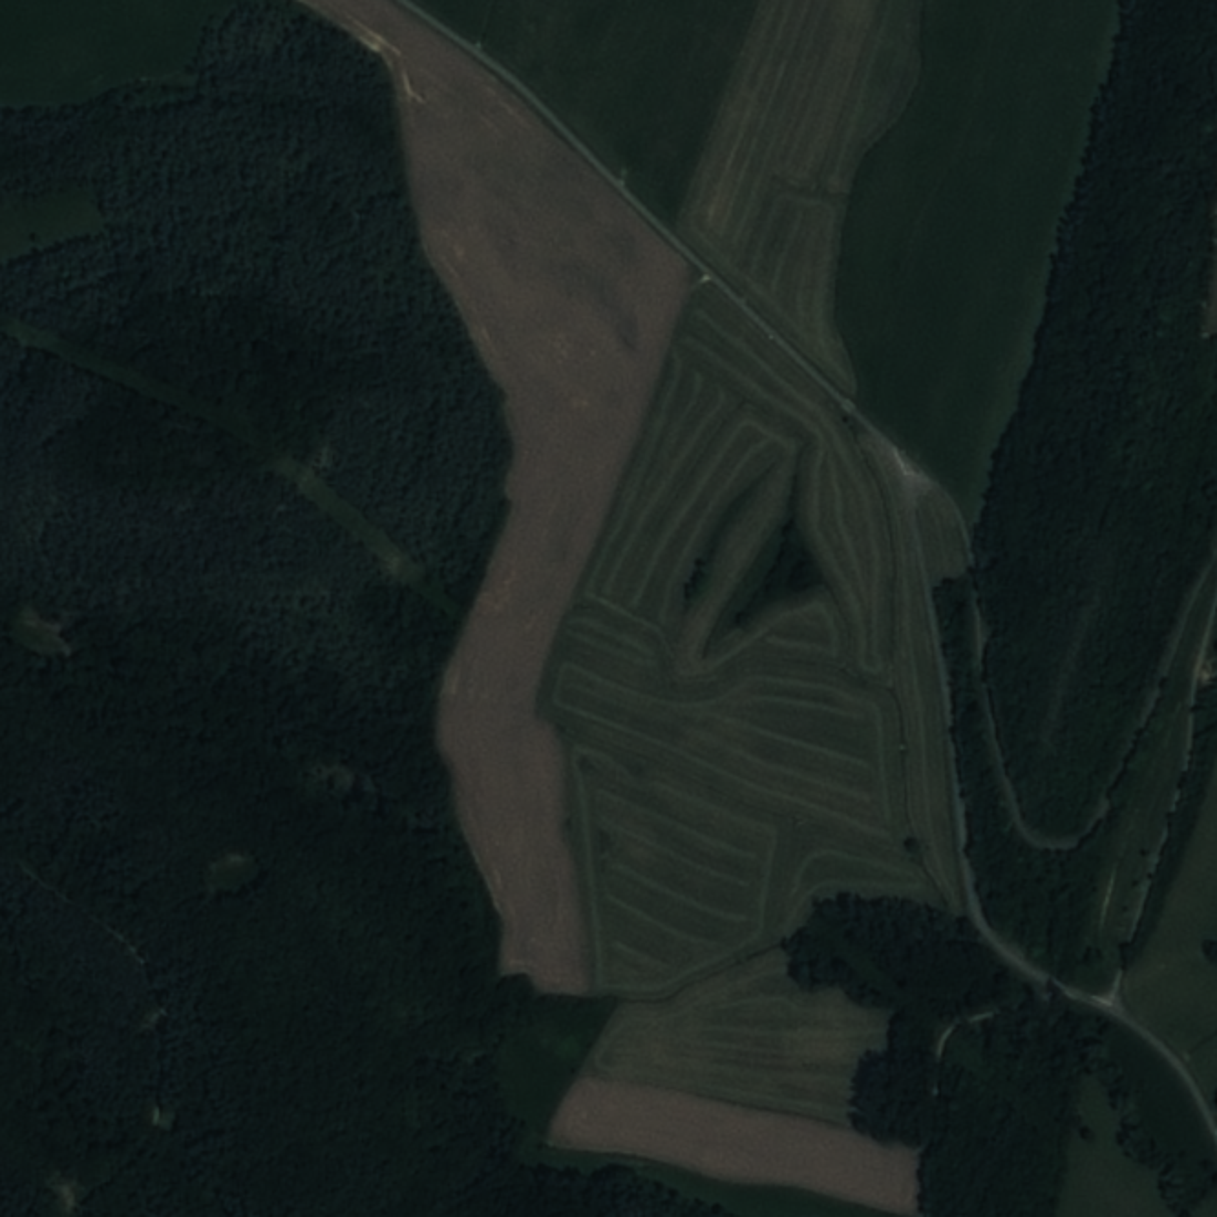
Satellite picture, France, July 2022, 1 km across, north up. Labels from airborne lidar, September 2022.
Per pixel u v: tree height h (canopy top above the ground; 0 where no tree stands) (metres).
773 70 0
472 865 8
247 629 22
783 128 0
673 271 0
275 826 22
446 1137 23
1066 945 14
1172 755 0
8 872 14
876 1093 33
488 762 0
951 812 0
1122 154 18
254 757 24
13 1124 17
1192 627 0
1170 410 7
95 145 17
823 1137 0
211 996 21
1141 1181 0
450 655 18
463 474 17
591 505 0
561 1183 26
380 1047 18
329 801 26
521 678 0
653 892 0
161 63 0
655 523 0
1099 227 16
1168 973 0
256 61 10
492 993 8
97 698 24
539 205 0
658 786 0
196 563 17
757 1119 0
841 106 0
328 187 23
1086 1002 0
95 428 21
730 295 0
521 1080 0
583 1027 0
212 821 12
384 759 17
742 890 0
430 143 0
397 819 28
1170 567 18
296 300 21
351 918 13
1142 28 17
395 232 17
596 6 0
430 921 24
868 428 0
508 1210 23
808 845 0
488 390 12
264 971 15
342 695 13
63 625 20
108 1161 18
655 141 0
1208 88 10
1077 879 14
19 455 20
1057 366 16
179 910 9
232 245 13
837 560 0
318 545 15
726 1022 0
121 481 17
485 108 0
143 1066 18
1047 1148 18
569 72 0
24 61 0
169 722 27
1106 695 13
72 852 21
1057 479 14
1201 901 0
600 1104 0
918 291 0
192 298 20
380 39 0
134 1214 20
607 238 0
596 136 0
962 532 0
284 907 15
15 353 15
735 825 0
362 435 17
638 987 0
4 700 16
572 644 0
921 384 0
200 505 18
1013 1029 7
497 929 10
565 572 0
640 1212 27
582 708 0
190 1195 19
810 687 0
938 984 22
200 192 21
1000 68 0
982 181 0
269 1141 17
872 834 0
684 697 0
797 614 0
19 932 16
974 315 0
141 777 15
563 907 0
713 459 0
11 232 0
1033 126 0
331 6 0
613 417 0
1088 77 0
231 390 15
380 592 12
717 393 0
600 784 0
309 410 19
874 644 0
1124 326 9
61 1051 21
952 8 0
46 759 16
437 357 18
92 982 21
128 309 14
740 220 0
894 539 0
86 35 0
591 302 0
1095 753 10
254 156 14
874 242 0
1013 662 6
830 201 0
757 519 0
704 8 0
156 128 15
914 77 0
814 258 0
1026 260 0
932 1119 19
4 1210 25
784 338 0
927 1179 17
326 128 23
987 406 0
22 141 24
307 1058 11
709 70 0
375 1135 16
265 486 11
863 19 0
